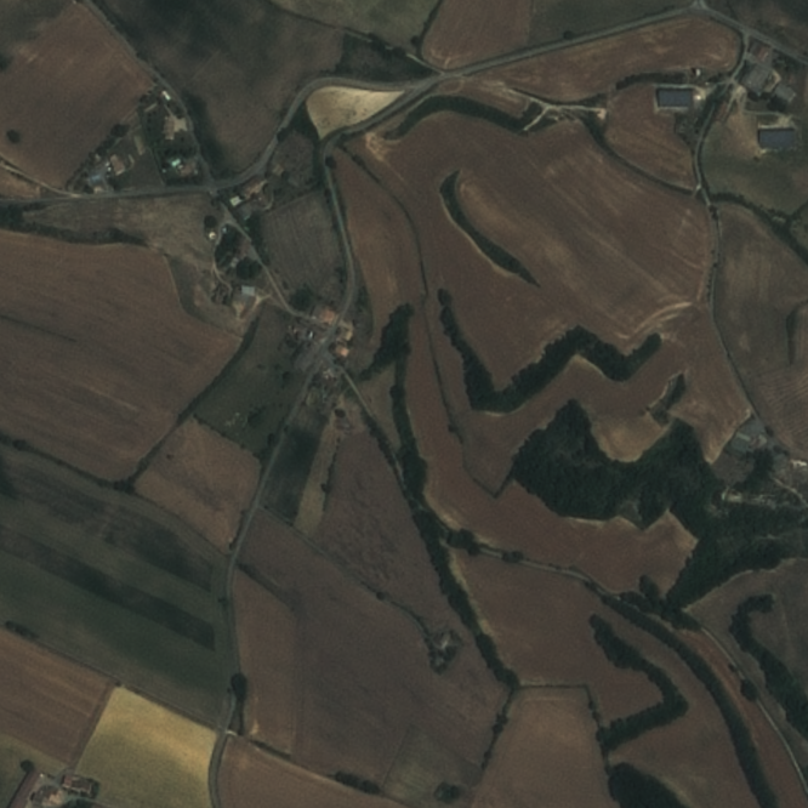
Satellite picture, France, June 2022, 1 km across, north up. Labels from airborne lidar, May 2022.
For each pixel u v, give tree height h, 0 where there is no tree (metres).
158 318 0
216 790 0
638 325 0
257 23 0
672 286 0
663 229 0
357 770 0
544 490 13
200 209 0
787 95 0
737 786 0
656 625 24
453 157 0
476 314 0
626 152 0
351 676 0
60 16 0
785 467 0
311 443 0
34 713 0
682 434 12
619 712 0
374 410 0
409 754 0
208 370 0
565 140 0
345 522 0
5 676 0
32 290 0
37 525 0
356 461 0
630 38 0
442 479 0
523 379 13
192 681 0
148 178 0
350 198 0
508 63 0
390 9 0
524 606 0
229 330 0
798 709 11
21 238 0
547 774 0
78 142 0
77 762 0
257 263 6
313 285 0
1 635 0
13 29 0
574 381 0
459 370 0
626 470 9
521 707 0
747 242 0
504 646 0
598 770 0
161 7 0
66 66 0
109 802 0
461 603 17
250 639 0
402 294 0
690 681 0
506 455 0
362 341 0
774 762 0
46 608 0
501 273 0
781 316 0
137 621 0
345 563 0
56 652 0
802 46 0
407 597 0
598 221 0
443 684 0
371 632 0
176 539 0
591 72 0
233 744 0
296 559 0
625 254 0
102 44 0
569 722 0
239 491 0
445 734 0
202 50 0
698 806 0
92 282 0
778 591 0
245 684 15
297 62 0
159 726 0
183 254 0
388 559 0
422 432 0
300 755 0
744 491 9
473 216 0
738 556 8
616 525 0
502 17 0
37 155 0
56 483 0
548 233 0
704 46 0
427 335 0
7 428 0
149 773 0
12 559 0
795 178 0
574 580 0
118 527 0
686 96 0
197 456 0
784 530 6
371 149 0
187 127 0
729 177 0
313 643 0
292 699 0
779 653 0
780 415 0
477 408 13
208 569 0
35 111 0
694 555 12
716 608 0
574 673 0
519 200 0
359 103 0
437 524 7
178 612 0
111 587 0
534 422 0
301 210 0
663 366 0
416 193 0
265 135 0
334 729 0
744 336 0
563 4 0
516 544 0
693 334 0
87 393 0
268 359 0
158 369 0
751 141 0
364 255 0
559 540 0
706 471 10
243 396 0
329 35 0
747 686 16
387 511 0
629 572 0
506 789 0
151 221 0
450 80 0
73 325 0
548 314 0
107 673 0
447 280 0
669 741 0
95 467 0
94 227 0
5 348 0
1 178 0
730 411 0
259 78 0
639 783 22
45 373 0
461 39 0
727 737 0
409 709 0
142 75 0
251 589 0
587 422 10
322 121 0
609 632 21
